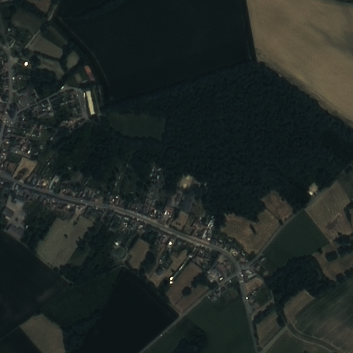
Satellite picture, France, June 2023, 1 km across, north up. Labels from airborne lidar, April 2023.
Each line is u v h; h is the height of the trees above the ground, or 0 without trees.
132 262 0
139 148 26
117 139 26
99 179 0
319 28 0
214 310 0
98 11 13
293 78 0
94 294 0
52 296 0
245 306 0
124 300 0
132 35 0
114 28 0
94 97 10
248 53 0
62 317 0
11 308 0
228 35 0
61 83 16
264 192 20
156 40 0
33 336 0
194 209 0
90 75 0
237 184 27
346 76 0
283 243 0
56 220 0
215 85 24
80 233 0
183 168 24
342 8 0
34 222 7
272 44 0
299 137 28
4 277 0
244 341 0
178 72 0
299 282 30
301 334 0
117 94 0
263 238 0
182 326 0
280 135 26
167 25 0
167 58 0
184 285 0
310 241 0
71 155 11
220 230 0
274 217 0
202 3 0
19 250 0
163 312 0
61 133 16
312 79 0
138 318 0
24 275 0
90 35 0
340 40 0
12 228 0
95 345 0
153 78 0
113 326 0
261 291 0
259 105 23
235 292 0
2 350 0
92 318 13
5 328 0
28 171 0
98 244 10
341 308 0
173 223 0
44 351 0
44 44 0
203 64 0
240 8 0
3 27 0
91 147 6
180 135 29
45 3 0
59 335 0
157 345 0
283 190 21
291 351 0
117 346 0
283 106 25
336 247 0
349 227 0
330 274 0
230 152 24
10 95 0
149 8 0
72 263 0
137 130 0
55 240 0
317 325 0
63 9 0
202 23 0
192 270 0
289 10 0
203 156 26
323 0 0
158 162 11
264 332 0
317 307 0
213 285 13
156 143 26
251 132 26
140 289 0
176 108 29
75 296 0
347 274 15
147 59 0
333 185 0
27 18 0
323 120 21
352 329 0
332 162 23
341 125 28
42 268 0
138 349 0
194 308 0
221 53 0
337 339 0
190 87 26
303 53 0
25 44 0
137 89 0
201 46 0
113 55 0
